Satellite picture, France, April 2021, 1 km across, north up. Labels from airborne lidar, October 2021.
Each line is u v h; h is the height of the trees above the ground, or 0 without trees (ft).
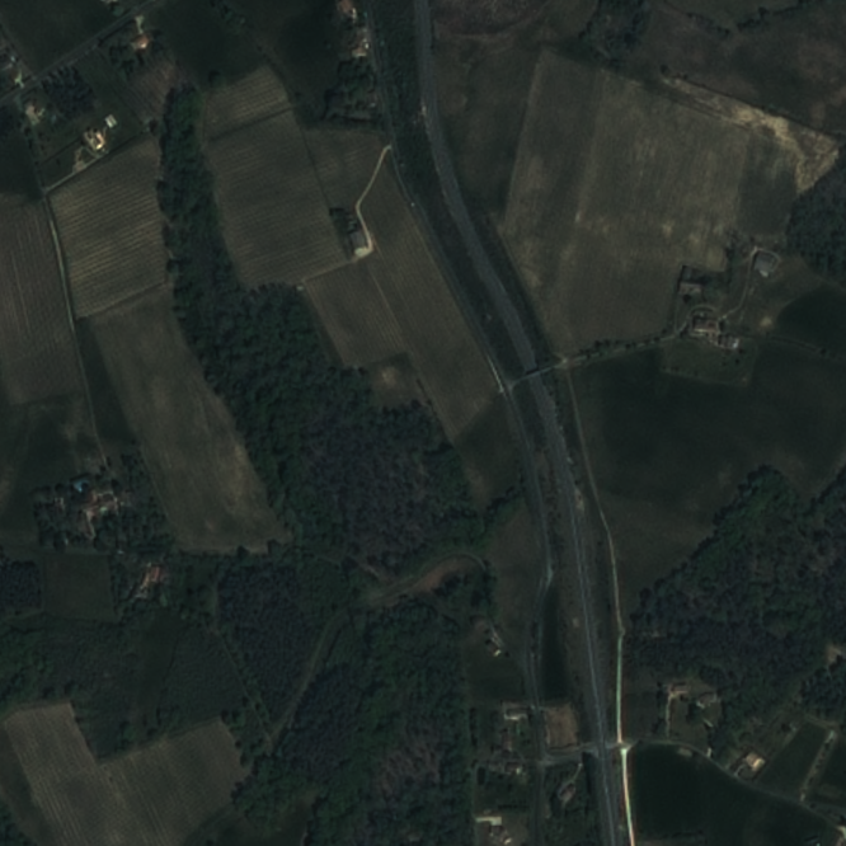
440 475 77
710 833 0
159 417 0
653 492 0
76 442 0
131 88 54
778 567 44
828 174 21
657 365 0
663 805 0
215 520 0
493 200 0
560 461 0
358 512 86
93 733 21
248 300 61
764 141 0
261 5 0
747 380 0
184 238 35
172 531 33
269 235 0
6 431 0
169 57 63
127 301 0
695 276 0
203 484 0
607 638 0
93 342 0
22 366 0
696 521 0
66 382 0
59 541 42
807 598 63
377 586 73
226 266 67
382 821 38
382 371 0
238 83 0
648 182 0
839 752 0
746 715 59
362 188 0
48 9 0
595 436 0
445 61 0
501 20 0
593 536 0
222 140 0
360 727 66
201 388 0
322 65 0
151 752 0
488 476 0
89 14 0
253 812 47
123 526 29
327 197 0
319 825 46
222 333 76
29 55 0
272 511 39
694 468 0
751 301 0
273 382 83
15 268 0
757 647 81
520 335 0
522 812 19
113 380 0
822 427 0
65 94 59
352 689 78
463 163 0
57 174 0
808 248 38
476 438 0
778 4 0
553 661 0
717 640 77
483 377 0
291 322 79
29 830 0
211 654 22
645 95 0
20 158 0
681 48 0
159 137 42
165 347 0
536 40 0
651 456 0
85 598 0
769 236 0
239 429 20
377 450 58
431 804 64
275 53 0
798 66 0
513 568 0
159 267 0
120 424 0
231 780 0
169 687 19
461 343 0
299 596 77
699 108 0
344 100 42
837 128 0
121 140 0
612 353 27
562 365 0
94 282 0
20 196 0
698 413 0
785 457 0
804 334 0
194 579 35
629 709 0
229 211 0
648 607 64
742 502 44
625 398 0
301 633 83
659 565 0
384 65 22
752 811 0
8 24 0
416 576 72
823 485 0
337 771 75
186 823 0
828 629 71
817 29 0
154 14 0
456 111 0
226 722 51
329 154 0
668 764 0
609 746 0
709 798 0
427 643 72
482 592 0
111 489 37
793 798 0
